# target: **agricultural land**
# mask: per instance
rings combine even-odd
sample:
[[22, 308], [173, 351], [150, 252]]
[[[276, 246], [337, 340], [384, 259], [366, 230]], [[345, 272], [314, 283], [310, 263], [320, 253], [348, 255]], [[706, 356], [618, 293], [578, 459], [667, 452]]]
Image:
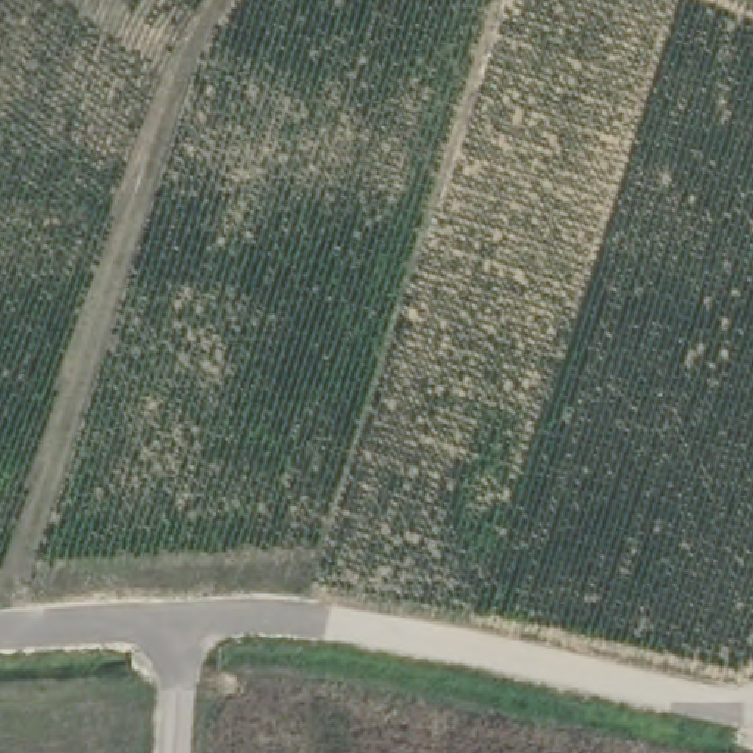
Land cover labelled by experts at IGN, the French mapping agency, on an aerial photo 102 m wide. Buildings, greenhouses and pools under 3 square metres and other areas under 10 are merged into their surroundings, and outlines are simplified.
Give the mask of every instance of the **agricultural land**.
[[12, 656], [0, 653], [0, 753], [153, 753], [156, 697], [156, 688], [132, 671], [126, 653], [118, 650], [44, 650]]
[[218, 674], [203, 665], [194, 694], [191, 753], [753, 753], [753, 750], [735, 744], [688, 747], [644, 735], [600, 732], [597, 727], [579, 721], [515, 718], [494, 709], [479, 709], [477, 703], [462, 703], [456, 697], [438, 697], [429, 685], [418, 685], [409, 691], [324, 677], [321, 665], [309, 662], [241, 662], [232, 674]]

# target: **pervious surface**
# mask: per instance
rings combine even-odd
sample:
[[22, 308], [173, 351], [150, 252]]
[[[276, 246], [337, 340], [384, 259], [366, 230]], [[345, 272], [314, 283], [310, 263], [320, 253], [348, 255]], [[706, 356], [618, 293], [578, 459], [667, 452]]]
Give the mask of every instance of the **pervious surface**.
[[674, 712], [685, 718], [724, 724], [735, 729], [735, 744], [753, 750], [753, 682], [703, 685], [656, 671], [615, 665], [594, 656], [574, 656], [565, 650], [518, 638], [474, 632], [456, 624], [341, 606], [329, 609], [329, 641], [344, 641], [365, 650], [385, 650], [412, 659], [482, 668], [509, 679], [550, 685], [556, 691], [579, 691], [629, 703], [635, 709]]
[[153, 753], [191, 753], [194, 694], [182, 685], [174, 685], [156, 697]]

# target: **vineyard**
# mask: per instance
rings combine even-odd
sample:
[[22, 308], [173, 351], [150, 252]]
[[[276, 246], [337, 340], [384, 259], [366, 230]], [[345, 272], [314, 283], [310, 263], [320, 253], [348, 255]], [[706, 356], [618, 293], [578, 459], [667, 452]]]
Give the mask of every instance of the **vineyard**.
[[656, 671], [703, 685], [753, 682], [753, 0], [0, 0], [0, 609], [15, 603], [44, 603], [94, 591], [309, 594], [312, 585], [338, 591], [341, 606], [456, 624], [474, 632], [518, 638], [565, 650], [574, 656], [594, 656], [615, 665]]

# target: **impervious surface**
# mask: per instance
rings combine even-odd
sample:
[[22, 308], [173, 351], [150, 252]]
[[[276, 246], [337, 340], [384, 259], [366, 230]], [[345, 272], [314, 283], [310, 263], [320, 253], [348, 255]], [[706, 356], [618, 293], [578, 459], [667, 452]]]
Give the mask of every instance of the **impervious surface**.
[[329, 641], [329, 609], [341, 606], [338, 591], [312, 585], [309, 594], [94, 591], [44, 603], [15, 603], [0, 609], [0, 653], [12, 656], [44, 650], [118, 650], [126, 653], [132, 671], [156, 688], [156, 697], [174, 685], [182, 685], [194, 694], [203, 665], [209, 650], [224, 638], [259, 635]]

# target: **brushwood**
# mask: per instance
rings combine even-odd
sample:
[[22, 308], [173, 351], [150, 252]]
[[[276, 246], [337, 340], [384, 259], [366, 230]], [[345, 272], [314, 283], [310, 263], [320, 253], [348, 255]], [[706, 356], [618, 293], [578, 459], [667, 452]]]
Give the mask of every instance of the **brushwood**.
[[688, 747], [735, 744], [735, 729], [724, 724], [685, 718], [674, 712], [635, 709], [629, 703], [579, 691], [556, 691], [550, 685], [509, 679], [482, 668], [412, 659], [385, 650], [365, 650], [344, 641], [329, 641], [259, 635], [224, 638], [209, 650], [203, 665], [218, 674], [232, 674], [241, 662], [309, 662], [321, 665], [324, 677], [409, 691], [418, 685], [429, 685], [438, 697], [456, 697], [462, 703], [477, 703], [479, 709], [494, 709], [515, 718], [579, 721], [597, 727], [600, 732], [644, 735]]

